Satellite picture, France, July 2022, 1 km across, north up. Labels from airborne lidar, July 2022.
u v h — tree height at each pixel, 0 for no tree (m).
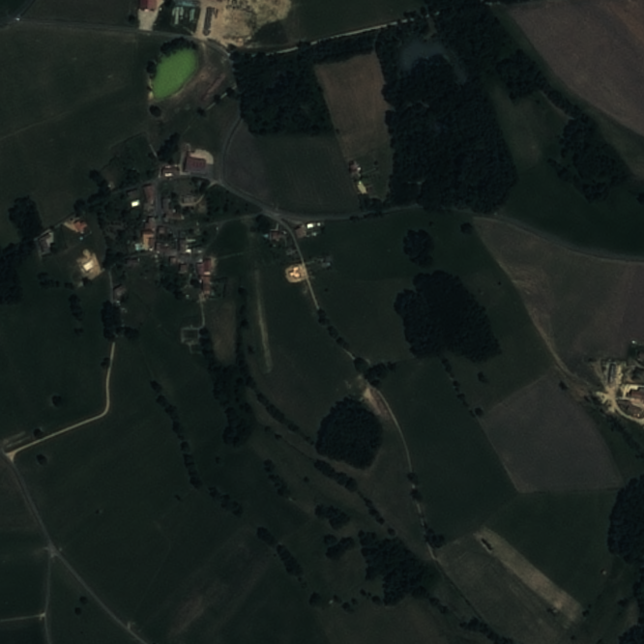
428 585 0
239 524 0
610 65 0
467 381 0
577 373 0
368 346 0
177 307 0
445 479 0
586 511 0
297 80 20
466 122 19
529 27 0
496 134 19
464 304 20
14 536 0
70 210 0
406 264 0
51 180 0
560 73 0
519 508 0
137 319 0
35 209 13
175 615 0
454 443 0
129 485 0
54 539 0
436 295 22
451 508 0
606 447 0
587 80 0
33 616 0
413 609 0
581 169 19
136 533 0
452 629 0
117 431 0
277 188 0
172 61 0
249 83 14
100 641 0
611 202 0
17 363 0
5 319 0
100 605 0
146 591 0
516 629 0
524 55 19
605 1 0
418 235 20
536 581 0
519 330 0
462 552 0
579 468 0
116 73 0
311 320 0
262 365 0
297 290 0
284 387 0
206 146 0
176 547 0
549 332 0
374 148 0
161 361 0
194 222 0
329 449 20
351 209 0
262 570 0
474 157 26
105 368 9
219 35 0
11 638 0
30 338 0
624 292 0
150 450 0
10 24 0
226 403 12
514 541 0
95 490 0
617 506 11
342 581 0
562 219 0
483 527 0
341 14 0
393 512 0
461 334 20
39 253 0
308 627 0
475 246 0
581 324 0
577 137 19
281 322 0
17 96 0
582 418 0
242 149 0
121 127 0
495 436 0
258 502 0
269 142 0
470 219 0
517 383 0
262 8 0
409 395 0
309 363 0
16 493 0
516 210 0
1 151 0
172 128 0
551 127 0
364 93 0
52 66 0
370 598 9
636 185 0
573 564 0
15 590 0
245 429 10
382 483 0
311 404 0
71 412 0
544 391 0
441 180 18
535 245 0
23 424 0
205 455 0
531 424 0
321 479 0
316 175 0
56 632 0
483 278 0
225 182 0
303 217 0
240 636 0
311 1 0
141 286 0
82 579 0
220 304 0
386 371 20
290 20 0
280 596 0
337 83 0
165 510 0
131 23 14
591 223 0
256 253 0
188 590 0
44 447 0
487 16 20
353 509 0
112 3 0
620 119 0
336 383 0
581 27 0
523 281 0
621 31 0
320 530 0
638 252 0
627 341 0
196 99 0
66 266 0
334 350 0
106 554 0
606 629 0
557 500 0
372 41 8
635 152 0
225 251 0
